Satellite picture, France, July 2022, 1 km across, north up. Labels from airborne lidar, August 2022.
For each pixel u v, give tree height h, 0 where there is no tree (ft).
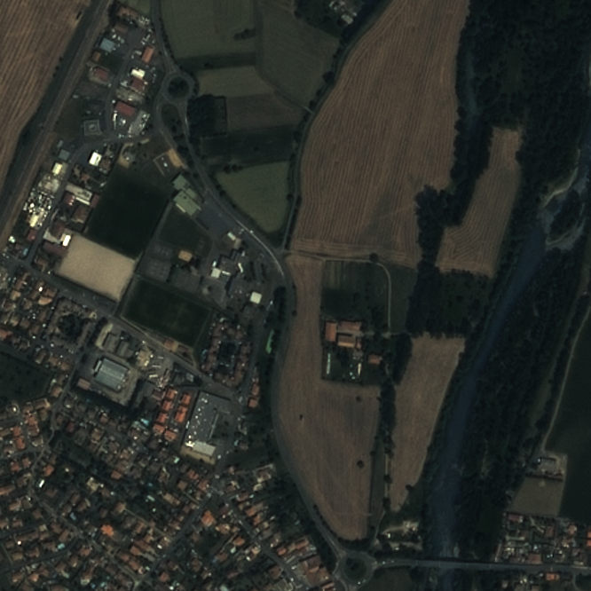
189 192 0
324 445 0
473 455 54
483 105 59
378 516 0
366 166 0
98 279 0
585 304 38
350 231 0
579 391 0
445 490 0
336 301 0
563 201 0
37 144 0
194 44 0
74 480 24
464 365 64
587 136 0
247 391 0
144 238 0
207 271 0
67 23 0
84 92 0
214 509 0
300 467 0
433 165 0
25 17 0
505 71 38
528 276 0
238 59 0
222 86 0
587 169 0
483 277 61
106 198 0
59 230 0
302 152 0
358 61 0
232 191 0
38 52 0
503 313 0
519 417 81
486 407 59
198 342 0
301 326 0
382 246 0
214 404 0
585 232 19
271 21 0
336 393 0
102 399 47
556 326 80
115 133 0
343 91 0
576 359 0
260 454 0
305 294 0
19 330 31
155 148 0
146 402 28
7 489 0
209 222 0
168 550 0
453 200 52
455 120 0
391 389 79
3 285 0
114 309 0
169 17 0
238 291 0
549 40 20
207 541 0
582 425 0
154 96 0
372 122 0
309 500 0
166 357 0
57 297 0
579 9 49
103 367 0
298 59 0
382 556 36
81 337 0
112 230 0
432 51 0
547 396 0
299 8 70
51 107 0
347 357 48
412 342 69
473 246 0
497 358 80
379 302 0
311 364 0
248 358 30
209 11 0
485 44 104
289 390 0
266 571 18
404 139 0
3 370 0
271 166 0
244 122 0
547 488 0
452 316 0
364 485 0
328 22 43
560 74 51
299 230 0
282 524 24
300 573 0
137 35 0
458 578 49
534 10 52
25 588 0
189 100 25
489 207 0
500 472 76
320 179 0
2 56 0
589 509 0
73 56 0
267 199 0
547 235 0
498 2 112
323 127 0
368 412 0
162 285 0
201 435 0
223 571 18
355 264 0
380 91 0
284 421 0
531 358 91
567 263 65
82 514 31
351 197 0
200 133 44
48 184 0
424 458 0
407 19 0
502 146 0
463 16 0
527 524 31
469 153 94
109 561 22
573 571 0
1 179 0
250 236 0
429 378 0
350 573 0
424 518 68
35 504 19
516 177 0
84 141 0
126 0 0
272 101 0
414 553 34
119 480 35
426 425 0
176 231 0
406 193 0
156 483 24
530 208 91
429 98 0
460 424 0
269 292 0
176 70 0
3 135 0
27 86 0
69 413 20
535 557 0
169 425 0
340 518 0
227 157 0
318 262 0
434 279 96
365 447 0
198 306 0
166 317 0
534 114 36
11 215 0
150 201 0
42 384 0
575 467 0
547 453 0
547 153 37
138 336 0
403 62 0
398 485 0
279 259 0
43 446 0
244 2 0
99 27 0
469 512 57
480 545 48
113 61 0
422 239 44
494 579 22
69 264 0
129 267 0
